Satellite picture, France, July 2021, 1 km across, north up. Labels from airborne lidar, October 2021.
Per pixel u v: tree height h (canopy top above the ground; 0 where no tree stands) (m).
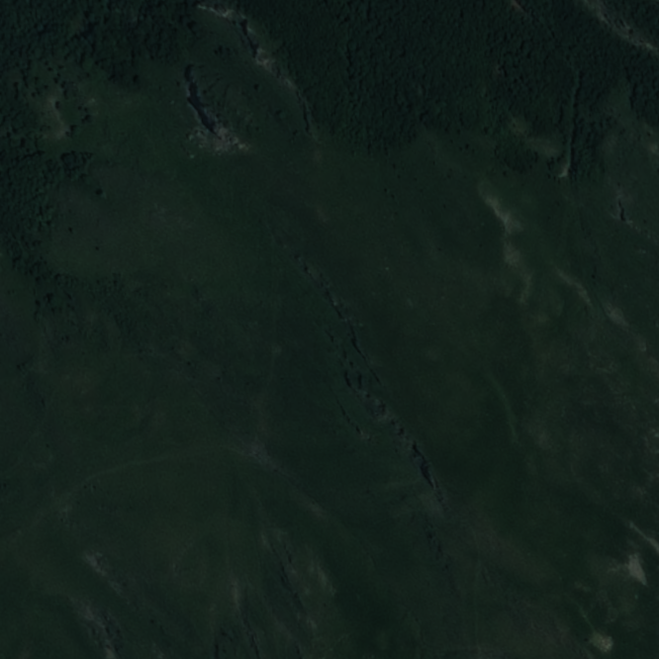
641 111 10
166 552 0
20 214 18
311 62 18
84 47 25
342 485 0
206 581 0
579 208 0
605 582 0
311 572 0
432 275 0
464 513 0
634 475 0
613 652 0
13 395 0
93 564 0
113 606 0
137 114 0
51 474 0
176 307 0
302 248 0
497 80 22
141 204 0
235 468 0
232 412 0
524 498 0
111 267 0
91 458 0
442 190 0
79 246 0
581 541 0
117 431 0
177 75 0
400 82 13
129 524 0
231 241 0
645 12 9
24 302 0
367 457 0
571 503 0
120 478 0
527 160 7
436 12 21
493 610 0
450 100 15
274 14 9
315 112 8
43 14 20
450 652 0
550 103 19
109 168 0
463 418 0
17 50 12
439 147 0
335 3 23
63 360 0
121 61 18
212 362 0
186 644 0
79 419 0
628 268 0
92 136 0
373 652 0
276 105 0
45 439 0
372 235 0
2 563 0
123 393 0
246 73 0
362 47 17
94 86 0
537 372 0
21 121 18
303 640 0
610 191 0
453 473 0
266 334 0
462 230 0
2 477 0
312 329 0
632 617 0
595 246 0
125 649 0
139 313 0
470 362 0
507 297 0
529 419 0
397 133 13
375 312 0
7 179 17
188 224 0
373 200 0
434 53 20
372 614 0
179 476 0
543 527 0
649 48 6
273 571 0
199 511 0
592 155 11
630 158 0
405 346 0
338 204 0
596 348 0
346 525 0
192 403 0
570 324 0
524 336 0
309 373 0
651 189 0
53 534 0
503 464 0
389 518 0
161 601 0
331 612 0
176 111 0
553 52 13
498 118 13
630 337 0
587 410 0
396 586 0
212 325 0
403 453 0
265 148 0
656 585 0
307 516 0
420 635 0
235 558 0
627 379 0
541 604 0
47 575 0
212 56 0
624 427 0
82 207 0
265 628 0
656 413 0
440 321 0
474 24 19
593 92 7
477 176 0
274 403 0
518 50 20
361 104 17
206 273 0
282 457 0
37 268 16
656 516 0
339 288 0
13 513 0
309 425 0
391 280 0
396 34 19
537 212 0
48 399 0
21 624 0
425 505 0
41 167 17
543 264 0
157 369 0
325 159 0
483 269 0
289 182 0
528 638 0
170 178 0
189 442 0
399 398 0
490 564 0
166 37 17
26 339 0
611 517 0
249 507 0
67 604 0
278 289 0
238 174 0
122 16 14
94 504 0
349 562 0
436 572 0
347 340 0
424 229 0
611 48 20
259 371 0
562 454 0
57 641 0
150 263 0
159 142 0
